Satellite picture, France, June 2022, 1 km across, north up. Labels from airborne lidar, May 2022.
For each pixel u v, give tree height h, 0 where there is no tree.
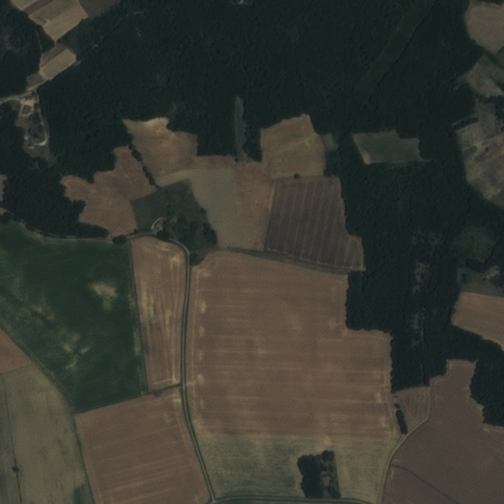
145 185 0
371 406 0
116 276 0
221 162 0
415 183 9
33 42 11
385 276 18
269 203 0
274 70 13
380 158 0
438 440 0
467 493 0
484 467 0
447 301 17
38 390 0
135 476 0
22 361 0
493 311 0
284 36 16
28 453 0
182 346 0
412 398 0
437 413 0
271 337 0
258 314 0
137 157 13
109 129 23
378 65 0
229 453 0
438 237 10
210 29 15
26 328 0
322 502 0
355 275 12
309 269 0
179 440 0
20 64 11
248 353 0
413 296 10
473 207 17
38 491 0
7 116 14
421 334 6
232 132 12
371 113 9
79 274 0
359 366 0
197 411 0
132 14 10
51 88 18
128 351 0
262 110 12
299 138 0
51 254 0
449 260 14
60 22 0
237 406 0
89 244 0
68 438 0
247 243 0
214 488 0
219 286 0
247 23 18
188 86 19
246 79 24
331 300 0
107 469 0
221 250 0
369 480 0
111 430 0
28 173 17
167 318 0
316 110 11
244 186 0
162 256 0
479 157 0
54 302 0
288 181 0
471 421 0
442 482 0
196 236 0
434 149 15
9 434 0
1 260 0
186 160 0
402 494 0
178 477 0
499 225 16
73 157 17
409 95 18
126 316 0
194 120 15
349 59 19
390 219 9
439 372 15
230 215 0
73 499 0
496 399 15
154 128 0
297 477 0
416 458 0
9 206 10
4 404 0
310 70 13
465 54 7
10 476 0
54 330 0
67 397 0
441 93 10
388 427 0
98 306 0
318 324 0
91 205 0
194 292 0
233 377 0
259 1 14
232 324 0
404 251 15
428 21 13
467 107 8
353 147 11
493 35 0
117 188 0
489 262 15
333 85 16
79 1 0
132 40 13
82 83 13
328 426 0
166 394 0
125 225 0
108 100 19
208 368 0
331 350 0
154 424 0
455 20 14
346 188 11
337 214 0
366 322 15
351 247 0
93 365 0
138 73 15
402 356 13
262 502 0
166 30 14
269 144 0
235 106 9
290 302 0
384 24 16
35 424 0
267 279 0
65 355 0
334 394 0
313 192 0
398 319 13
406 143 0
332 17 14
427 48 12
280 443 0
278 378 0
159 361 0
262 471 0
